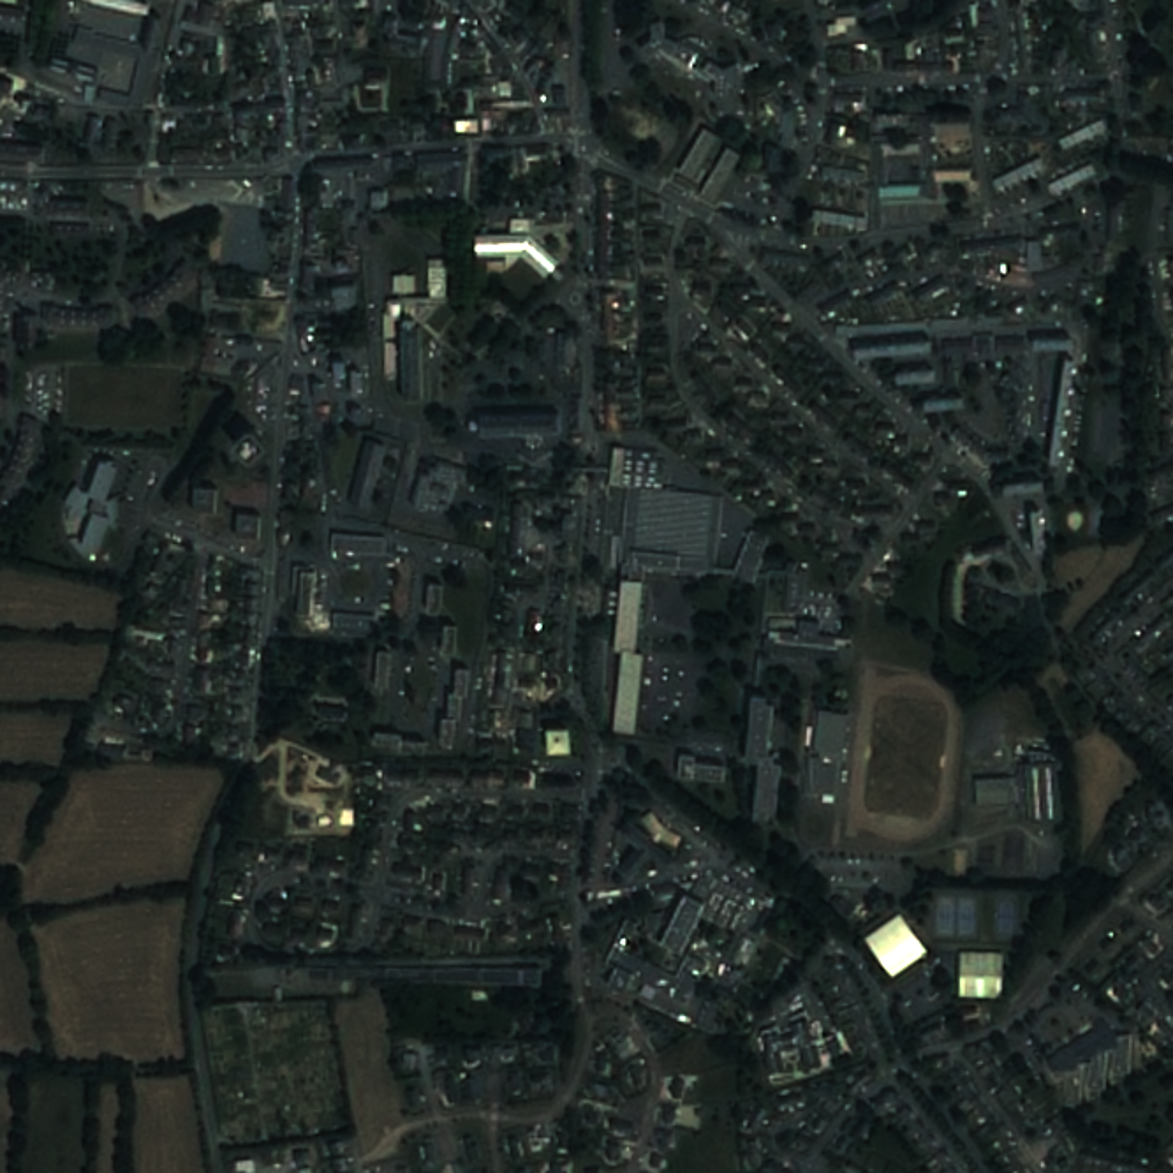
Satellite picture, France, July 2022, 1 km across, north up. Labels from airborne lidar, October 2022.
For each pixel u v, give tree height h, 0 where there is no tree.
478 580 0
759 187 0
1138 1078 12
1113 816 7
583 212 0
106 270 10
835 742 0
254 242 0
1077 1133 16
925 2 21
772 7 0
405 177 7
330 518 0
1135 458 14
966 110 11
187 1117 0
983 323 0
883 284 0
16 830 0
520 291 0
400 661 0
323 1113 0
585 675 10
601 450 0
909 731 0
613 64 0
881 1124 8
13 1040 0
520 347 11
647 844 0
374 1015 0
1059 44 7
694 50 0
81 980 0
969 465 0
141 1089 0
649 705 0
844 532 0
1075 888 19
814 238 0
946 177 0
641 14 19
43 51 12
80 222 0
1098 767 0
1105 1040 0
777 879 18
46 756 0
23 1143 12
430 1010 0
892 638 0
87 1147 12
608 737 18
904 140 17
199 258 13
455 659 0
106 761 15
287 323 0
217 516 0
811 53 10
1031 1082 10
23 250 6
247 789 22
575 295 0
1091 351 0
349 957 9
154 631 0
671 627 0
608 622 12
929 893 13
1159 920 0
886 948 0
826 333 0
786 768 14
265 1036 0
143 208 0
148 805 0
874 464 8
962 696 15
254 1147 7
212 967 8
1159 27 23
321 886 10
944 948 0
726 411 7
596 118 6
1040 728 0
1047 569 10
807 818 0
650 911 14
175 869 0
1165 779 10
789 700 11
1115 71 0
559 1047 11
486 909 0
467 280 19
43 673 0
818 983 7
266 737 10
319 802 0
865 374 0
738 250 0
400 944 8
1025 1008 0
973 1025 7
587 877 13
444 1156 0
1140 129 8
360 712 15
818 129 0
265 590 0
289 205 0
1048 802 0
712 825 21
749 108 13
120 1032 0
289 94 0
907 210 0
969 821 0
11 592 0
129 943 0
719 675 19
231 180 0
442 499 0
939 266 0
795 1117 0
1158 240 0
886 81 0
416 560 0
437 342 0
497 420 0
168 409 0
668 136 0
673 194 0
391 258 0
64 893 0
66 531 0
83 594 0
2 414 0
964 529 0
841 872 0
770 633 0
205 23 0
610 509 0
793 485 0
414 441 0
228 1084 0
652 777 16
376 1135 0
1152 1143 15
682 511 0
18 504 11
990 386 0
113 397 0
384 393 0
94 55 0
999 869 0
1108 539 15
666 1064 0
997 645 12
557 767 0
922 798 0
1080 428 0
